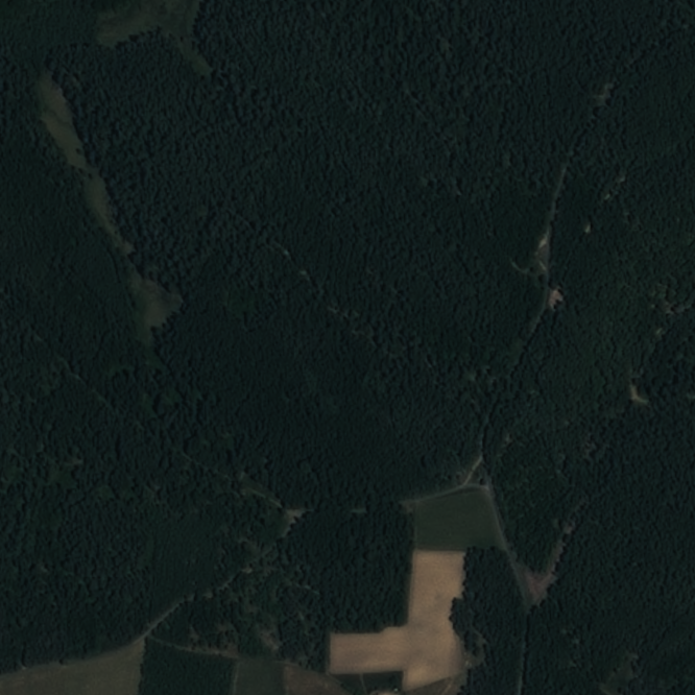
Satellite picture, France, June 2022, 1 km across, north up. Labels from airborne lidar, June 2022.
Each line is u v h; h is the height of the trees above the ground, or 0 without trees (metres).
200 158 25
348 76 22
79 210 22
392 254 25
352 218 28
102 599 15
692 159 19
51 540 11
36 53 10
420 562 0
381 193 18
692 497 23
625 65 21
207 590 8
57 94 0
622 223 18
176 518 8
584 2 23
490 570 21
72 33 14
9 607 19
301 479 28
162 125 24
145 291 0
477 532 0
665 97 19
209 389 18
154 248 21
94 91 22
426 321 18
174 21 0
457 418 17
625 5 24
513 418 21
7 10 8
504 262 14
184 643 11
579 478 21
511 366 21
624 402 20
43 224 16
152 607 10
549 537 17
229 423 24
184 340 22
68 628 11
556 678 14
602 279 19
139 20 0
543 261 0
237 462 26
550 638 21
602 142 26
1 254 21
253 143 27
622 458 20
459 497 0
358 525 24
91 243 20
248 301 11
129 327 21
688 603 22
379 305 20
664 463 29
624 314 15
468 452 23
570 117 26
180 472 24
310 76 15
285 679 0
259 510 17
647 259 14
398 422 19
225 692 11
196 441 21
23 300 26
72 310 12
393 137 19
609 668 11
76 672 0
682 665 22
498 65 30
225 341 22
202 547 10
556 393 18
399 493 18
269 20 16
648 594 18
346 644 0
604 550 16
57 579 15
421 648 0
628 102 22
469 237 23
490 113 23
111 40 0
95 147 22
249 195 28
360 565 28
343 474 25
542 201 13
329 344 28
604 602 18
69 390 15
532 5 21
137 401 18
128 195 27
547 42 22
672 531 17
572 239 16
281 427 26
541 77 26
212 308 26
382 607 14
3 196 16
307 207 18
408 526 20
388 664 0
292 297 24
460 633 7
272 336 26
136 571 13
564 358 23
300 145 25
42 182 14
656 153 20
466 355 9
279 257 17
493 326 18
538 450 15
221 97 17
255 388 22
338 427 26
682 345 21
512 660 16
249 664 0
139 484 21
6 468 22
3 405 27
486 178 13
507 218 16
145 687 9
